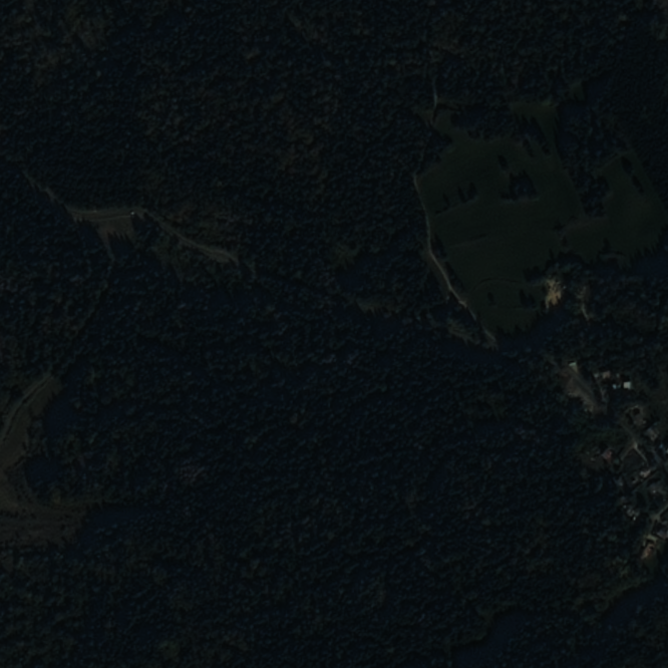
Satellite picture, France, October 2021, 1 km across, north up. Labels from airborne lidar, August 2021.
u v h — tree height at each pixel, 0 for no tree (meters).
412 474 21
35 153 23
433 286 7
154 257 6
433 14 17
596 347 11
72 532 0
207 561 21
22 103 23
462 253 0
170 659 21
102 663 19
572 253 0
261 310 26
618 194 0
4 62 14
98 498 9
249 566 22
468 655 0
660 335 8
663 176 19
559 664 16
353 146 21
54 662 10
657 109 17
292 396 22
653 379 8
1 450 0
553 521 17
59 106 16
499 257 0
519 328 0
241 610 11
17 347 18
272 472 12
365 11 20
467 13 9
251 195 31
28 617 6
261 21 19
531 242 0
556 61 18
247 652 19
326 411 26
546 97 17
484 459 27
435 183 0
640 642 14
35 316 22
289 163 22
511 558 19
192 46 26
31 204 27
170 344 7
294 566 9
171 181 22
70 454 12
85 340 16
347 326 31
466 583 8
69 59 21
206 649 20
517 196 8
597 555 25
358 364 27
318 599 22
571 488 23
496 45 21
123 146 30
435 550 22
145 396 22
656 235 0
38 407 0
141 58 21
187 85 21
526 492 24
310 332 12
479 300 0
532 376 22
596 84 0
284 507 22
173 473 22
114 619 9
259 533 19
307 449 17
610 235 0
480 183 0
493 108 11
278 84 25
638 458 0
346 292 26
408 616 26
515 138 14
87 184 27
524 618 12
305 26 28
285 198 19
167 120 20
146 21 26
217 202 26
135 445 27
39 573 6
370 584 20
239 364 20
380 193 21
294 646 25
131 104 24
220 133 21
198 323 15
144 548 21
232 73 26
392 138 25
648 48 19
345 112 24
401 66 21
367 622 10
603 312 17
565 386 0
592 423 12
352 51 12
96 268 26
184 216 18
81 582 11
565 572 19
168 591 18
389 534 28
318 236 27
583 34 31
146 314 20
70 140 23
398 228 18
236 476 23
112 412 7
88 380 24
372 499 24
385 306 16
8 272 28
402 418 20
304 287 13
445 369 26
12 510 0
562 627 12
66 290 28
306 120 21
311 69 24
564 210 0
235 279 15
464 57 24
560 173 0
